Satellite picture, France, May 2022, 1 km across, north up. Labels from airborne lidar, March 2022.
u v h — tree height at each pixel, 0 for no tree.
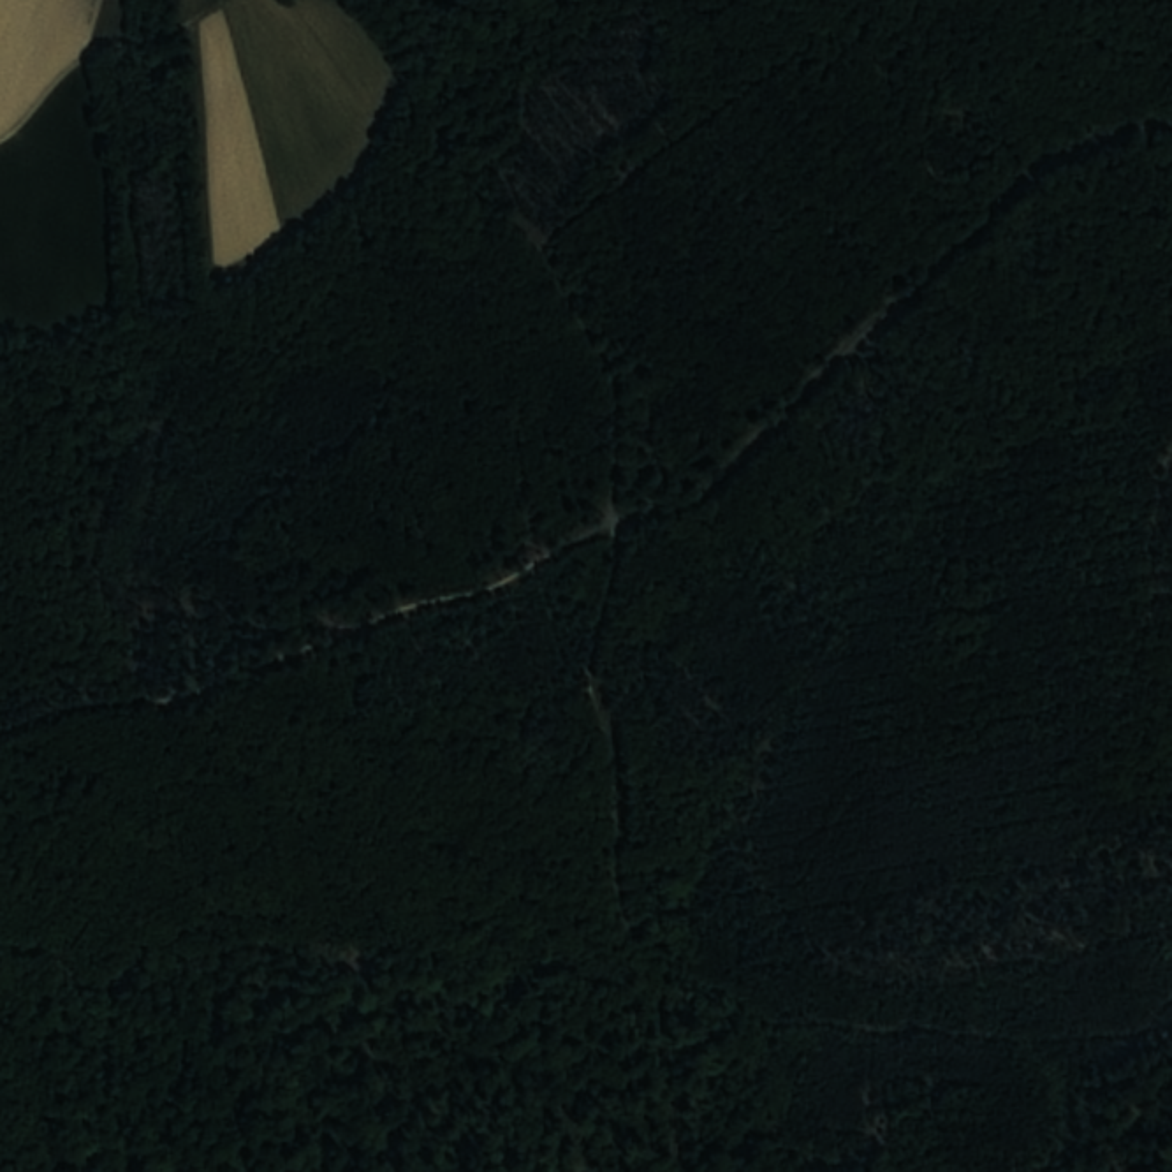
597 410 16
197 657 9
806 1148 9
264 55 0
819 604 18
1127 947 11
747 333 11
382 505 22
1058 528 12
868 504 12
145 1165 29
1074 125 22
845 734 11
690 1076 28
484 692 10
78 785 15
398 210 27
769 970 13
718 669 16
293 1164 32
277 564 12
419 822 18
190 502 8
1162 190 28
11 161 0
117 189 16
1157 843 28
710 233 12
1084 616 16
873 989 12
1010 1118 11
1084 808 12
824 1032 9
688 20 16
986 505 14
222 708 21
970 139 10
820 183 10
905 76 18
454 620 13
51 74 0
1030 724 12
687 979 10
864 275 14
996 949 17
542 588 7
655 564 16
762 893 13
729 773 24
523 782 22
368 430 16
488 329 18
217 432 15
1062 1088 9
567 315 20
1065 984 11
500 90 25
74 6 0
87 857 19
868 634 11
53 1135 28
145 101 26
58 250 0
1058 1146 10
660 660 21
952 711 12
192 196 20
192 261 21
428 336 20
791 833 11
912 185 10
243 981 24
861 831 12
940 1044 13
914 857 11
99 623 26
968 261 22
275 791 20
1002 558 13
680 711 24
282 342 21
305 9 0
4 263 0
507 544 7
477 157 28
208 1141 25
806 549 16
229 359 21
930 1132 12
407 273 21
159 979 18
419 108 26
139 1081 29
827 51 14
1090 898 28
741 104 12
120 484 18
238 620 22
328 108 0
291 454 14
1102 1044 12
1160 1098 31
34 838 20
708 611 15
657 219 16
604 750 19
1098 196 26
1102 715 14
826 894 12
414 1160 32
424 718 11
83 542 26
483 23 28
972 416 21
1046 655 11
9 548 25
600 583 9
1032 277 21
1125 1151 33
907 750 11
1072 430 12
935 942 25
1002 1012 11
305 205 0
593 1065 29
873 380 15
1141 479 16
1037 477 14
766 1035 20
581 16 23
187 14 0
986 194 21
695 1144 23
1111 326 22
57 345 25
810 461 15
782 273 10
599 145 9
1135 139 24
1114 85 20
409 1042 30
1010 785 15
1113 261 28
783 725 8
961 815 10
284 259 25
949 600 11
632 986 27
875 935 9
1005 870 7
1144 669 10
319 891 18
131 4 13
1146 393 15
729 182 9
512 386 18
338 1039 32
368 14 26
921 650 12
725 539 14
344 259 23
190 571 11
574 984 27
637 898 16
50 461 29
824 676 10
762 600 14
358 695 18
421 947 29
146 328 23
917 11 21
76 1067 21
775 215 8
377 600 26
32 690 23
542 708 22
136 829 19
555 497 9
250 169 0
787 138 12
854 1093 12
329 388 13
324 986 26
